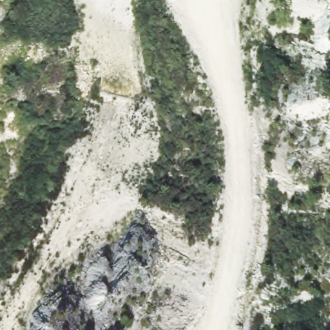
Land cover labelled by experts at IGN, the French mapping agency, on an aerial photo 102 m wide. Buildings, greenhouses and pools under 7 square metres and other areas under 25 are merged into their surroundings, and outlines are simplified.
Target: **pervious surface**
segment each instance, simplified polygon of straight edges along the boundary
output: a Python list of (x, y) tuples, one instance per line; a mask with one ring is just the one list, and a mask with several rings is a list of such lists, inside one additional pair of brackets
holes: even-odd
[(0, 131), (0, 142), (17, 138), (18, 134), (14, 112), (6, 115), (4, 133)]
[[(182, 228), (183, 217), (159, 208), (143, 206), (139, 202), (141, 195), (138, 187), (146, 184), (148, 174), (153, 174), (153, 164), (159, 159), (161, 126), (157, 121), (155, 102), (150, 99), (152, 76), (148, 75), (144, 66), (141, 36), (135, 34), (133, 10), (138, 6), (138, 0), (76, 0), (75, 8), (81, 21), (84, 21), (84, 31), (73, 34), (70, 45), (64, 48), (59, 46), (58, 50), (66, 53), (66, 57), (62, 58), (62, 64), (75, 63), (76, 85), (81, 90), (82, 98), (101, 107), (99, 112), (94, 108), (82, 108), (86, 120), (88, 125), (85, 130), (90, 131), (92, 135), (77, 139), (73, 146), (67, 148), (66, 153), (70, 153), (67, 162), (70, 170), (66, 173), (61, 192), (53, 201), (52, 208), (41, 220), (43, 229), (34, 238), (34, 249), (40, 254), (39, 260), (28, 271), (24, 280), (18, 277), (24, 264), (22, 259), (14, 263), (13, 267), (18, 268), (17, 273), (0, 280), (0, 330), (275, 330), (271, 311), (286, 307), (285, 304), (272, 304), (269, 299), (269, 296), (276, 295), (278, 290), (284, 289), (287, 285), (280, 273), (275, 275), (272, 284), (263, 290), (258, 287), (259, 282), (264, 280), (260, 268), (267, 250), (268, 180), (275, 179), (278, 189), (285, 192), (287, 197), (293, 196), (295, 192), (307, 192), (312, 178), (321, 182), (324, 175), (321, 170), (316, 173), (313, 161), (330, 160), (330, 99), (321, 97), (316, 92), (316, 82), (304, 81), (299, 84), (290, 86), (291, 93), (287, 101), (282, 90), (278, 90), (276, 110), (271, 106), (264, 106), (263, 97), (259, 98), (258, 107), (250, 103), (251, 95), (257, 92), (257, 82), (253, 82), (250, 90), (245, 89), (242, 63), (250, 62), (253, 64), (253, 72), (257, 72), (260, 68), (258, 52), (257, 46), (244, 52), (241, 48), (245, 46), (246, 41), (259, 40), (267, 43), (272, 37), (276, 48), (285, 50), (290, 57), (302, 54), (302, 63), (306, 67), (312, 70), (325, 68), (327, 59), (330, 59), (330, 0), (294, 0), (290, 8), (293, 24), (277, 27), (268, 22), (268, 15), (275, 10), (271, 0), (168, 0), (168, 13), (173, 15), (175, 23), (182, 30), (191, 48), (191, 52), (188, 53), (188, 66), (193, 71), (193, 77), (202, 84), (208, 84), (206, 90), (213, 92), (211, 98), (214, 106), (196, 106), (193, 112), (200, 115), (201, 112), (210, 111), (214, 120), (220, 122), (218, 128), (215, 128), (215, 135), (223, 134), (224, 139), (219, 142), (219, 148), (223, 148), (224, 151), (217, 153), (217, 156), (224, 157), (226, 161), (223, 168), (217, 170), (224, 188), (215, 204), (211, 233), (204, 241), (188, 245), (188, 237), (184, 235)], [(303, 18), (311, 19), (313, 23), (313, 35), (307, 41), (294, 39), (286, 45), (284, 40), (278, 40), (276, 34), (281, 32), (299, 34)], [(268, 139), (269, 125), (275, 121), (276, 116), (286, 121), (286, 128), (278, 137), (275, 159), (271, 161), (272, 171), (267, 171), (262, 146)], [(294, 144), (304, 141), (307, 137), (311, 142), (311, 148), (291, 148), (284, 141), (298, 121), (302, 122), (303, 131), (295, 139)]]
[(322, 193), (321, 199), (316, 202), (315, 210), (294, 209), (284, 204), (282, 211), (293, 214), (318, 214), (325, 218), (326, 210), (330, 209), (330, 193)]
[(0, 85), (4, 82), (1, 67), (8, 63), (10, 55), (24, 61), (39, 62), (54, 50), (50, 46), (45, 48), (43, 43), (27, 44), (21, 40), (0, 48)]

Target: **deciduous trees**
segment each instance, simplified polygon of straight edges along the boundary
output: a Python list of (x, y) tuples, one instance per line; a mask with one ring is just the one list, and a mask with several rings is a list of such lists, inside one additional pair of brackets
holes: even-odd
[(330, 330), (330, 298), (312, 298), (306, 302), (300, 300), (291, 304), (291, 308), (286, 307), (271, 311), (275, 330)]

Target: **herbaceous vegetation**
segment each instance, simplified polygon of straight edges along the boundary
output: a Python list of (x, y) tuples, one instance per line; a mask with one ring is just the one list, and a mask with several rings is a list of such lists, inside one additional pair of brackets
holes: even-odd
[(290, 57), (285, 50), (276, 48), (272, 37), (267, 43), (259, 40), (246, 41), (245, 46), (241, 48), (244, 52), (257, 46), (258, 52), (260, 49), (271, 49), (276, 58), (284, 61), (285, 66), (291, 62)]
[(330, 160), (313, 161), (316, 173), (321, 170), (324, 175), (321, 182), (322, 193), (330, 193)]
[(253, 82), (257, 82), (257, 72), (253, 72), (253, 64), (250, 62), (242, 63), (245, 89), (250, 90)]
[(17, 138), (0, 142), (0, 208), (3, 208), (4, 197), (9, 193), (12, 180), (17, 177), (15, 171), (23, 155), (24, 138), (18, 134)]
[(330, 282), (330, 250), (325, 245), (321, 233), (316, 233), (320, 245), (313, 246), (312, 251), (321, 259), (318, 269), (309, 267), (306, 259), (298, 259), (304, 266), (299, 275), (304, 277), (309, 273), (318, 282)]
[(64, 48), (70, 45), (73, 34), (84, 31), (84, 21), (81, 21), (75, 8), (76, 0), (0, 0), (0, 48), (21, 40), (27, 44), (43, 43), (45, 48), (50, 46), (54, 50), (39, 62), (24, 61), (10, 55), (8, 63), (1, 67), (4, 82), (0, 85), (0, 131), (4, 133), (6, 115), (14, 112), (18, 110), (18, 103), (26, 99), (27, 104), (34, 106), (34, 111), (39, 115), (44, 115), (45, 110), (55, 106), (54, 120), (64, 120), (73, 116), (76, 116), (73, 120), (76, 124), (79, 124), (80, 120), (86, 120), (82, 108), (94, 108), (99, 112), (101, 107), (82, 98), (81, 90), (76, 85), (75, 63), (62, 64), (62, 58), (66, 57), (66, 53), (58, 50), (59, 46)]
[(316, 92), (321, 97), (330, 99), (330, 59), (327, 59), (325, 68), (312, 70), (306, 67), (306, 75), (300, 77), (299, 84), (304, 81), (316, 82)]

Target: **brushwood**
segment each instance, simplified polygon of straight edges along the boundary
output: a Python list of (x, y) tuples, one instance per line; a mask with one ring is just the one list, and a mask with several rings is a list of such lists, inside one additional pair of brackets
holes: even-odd
[(150, 99), (155, 102), (157, 121), (161, 126), (159, 159), (153, 164), (153, 174), (148, 174), (146, 184), (138, 187), (141, 195), (139, 202), (143, 206), (159, 208), (183, 217), (182, 228), (184, 235), (188, 237), (188, 245), (204, 241), (211, 233), (215, 204), (224, 188), (217, 170), (223, 168), (226, 161), (224, 157), (217, 156), (217, 153), (224, 151), (223, 148), (219, 148), (219, 142), (224, 139), (223, 134), (215, 135), (215, 128), (218, 128), (220, 122), (214, 120), (210, 111), (201, 112), (200, 115), (193, 112), (196, 106), (214, 106), (211, 98), (213, 92), (206, 90), (208, 84), (202, 84), (193, 77), (193, 71), (188, 66), (188, 53), (191, 52), (191, 48), (182, 30), (175, 23), (173, 15), (168, 13), (168, 0), (138, 0), (138, 6), (133, 10), (135, 34), (141, 36), (144, 66), (148, 75), (152, 76)]
[(294, 144), (295, 139), (303, 131), (302, 122), (298, 121), (284, 141), (291, 148), (311, 148), (311, 142), (307, 137), (304, 141)]
[(262, 146), (267, 171), (272, 171), (271, 161), (275, 159), (278, 137), (286, 128), (286, 121), (276, 116), (275, 121), (269, 125), (268, 139)]
[(275, 10), (268, 15), (268, 22), (277, 27), (293, 24), (290, 8), (294, 0), (271, 0)]
[(257, 92), (251, 95), (250, 103), (258, 107), (259, 98), (263, 97), (264, 106), (271, 106), (276, 110), (278, 90), (282, 90), (287, 101), (291, 93), (290, 86), (299, 84), (300, 77), (306, 75), (306, 67), (302, 63), (302, 54), (290, 57), (291, 62), (285, 66), (284, 61), (276, 58), (271, 49), (260, 49), (258, 52), (260, 68), (257, 72), (257, 82)]
[(24, 280), (28, 271), (39, 260), (40, 254), (34, 249), (34, 238), (43, 229), (41, 220), (52, 208), (53, 201), (61, 192), (66, 173), (70, 170), (67, 162), (70, 153), (66, 153), (67, 148), (73, 146), (77, 139), (92, 135), (90, 131), (85, 130), (88, 125), (86, 120), (80, 120), (79, 124), (76, 124), (73, 120), (76, 116), (73, 116), (64, 120), (54, 120), (55, 106), (45, 110), (44, 115), (39, 115), (34, 111), (34, 106), (27, 104), (26, 99), (18, 103), (18, 110), (14, 112), (18, 134), (24, 138), (23, 155), (15, 171), (17, 177), (12, 180), (9, 193), (4, 197), (3, 208), (0, 208), (0, 280), (17, 273), (18, 268), (13, 267), (14, 263), (22, 259), (24, 264), (18, 277)]
[(306, 302), (312, 298), (330, 298), (330, 282), (318, 282), (309, 273), (304, 277), (299, 275), (304, 266), (298, 259), (306, 259), (309, 267), (318, 269), (321, 259), (312, 251), (313, 246), (320, 245), (316, 233), (321, 233), (325, 245), (330, 250), (330, 209), (326, 210), (325, 218), (318, 214), (293, 214), (282, 211), (284, 204), (294, 209), (315, 210), (316, 202), (321, 199), (322, 193), (321, 182), (312, 178), (307, 192), (295, 192), (293, 196), (287, 197), (285, 192), (278, 189), (275, 179), (268, 180), (267, 250), (260, 268), (264, 280), (259, 282), (258, 287), (263, 290), (272, 284), (275, 275), (280, 273), (287, 285), (284, 289), (278, 290), (276, 295), (269, 296), (269, 299), (272, 304), (285, 304), (286, 307), (291, 308), (291, 304), (300, 300)]
[(313, 35), (313, 23), (311, 19), (303, 18), (299, 34), (281, 32), (276, 34), (278, 40), (284, 40), (286, 45), (294, 39), (307, 41)]

